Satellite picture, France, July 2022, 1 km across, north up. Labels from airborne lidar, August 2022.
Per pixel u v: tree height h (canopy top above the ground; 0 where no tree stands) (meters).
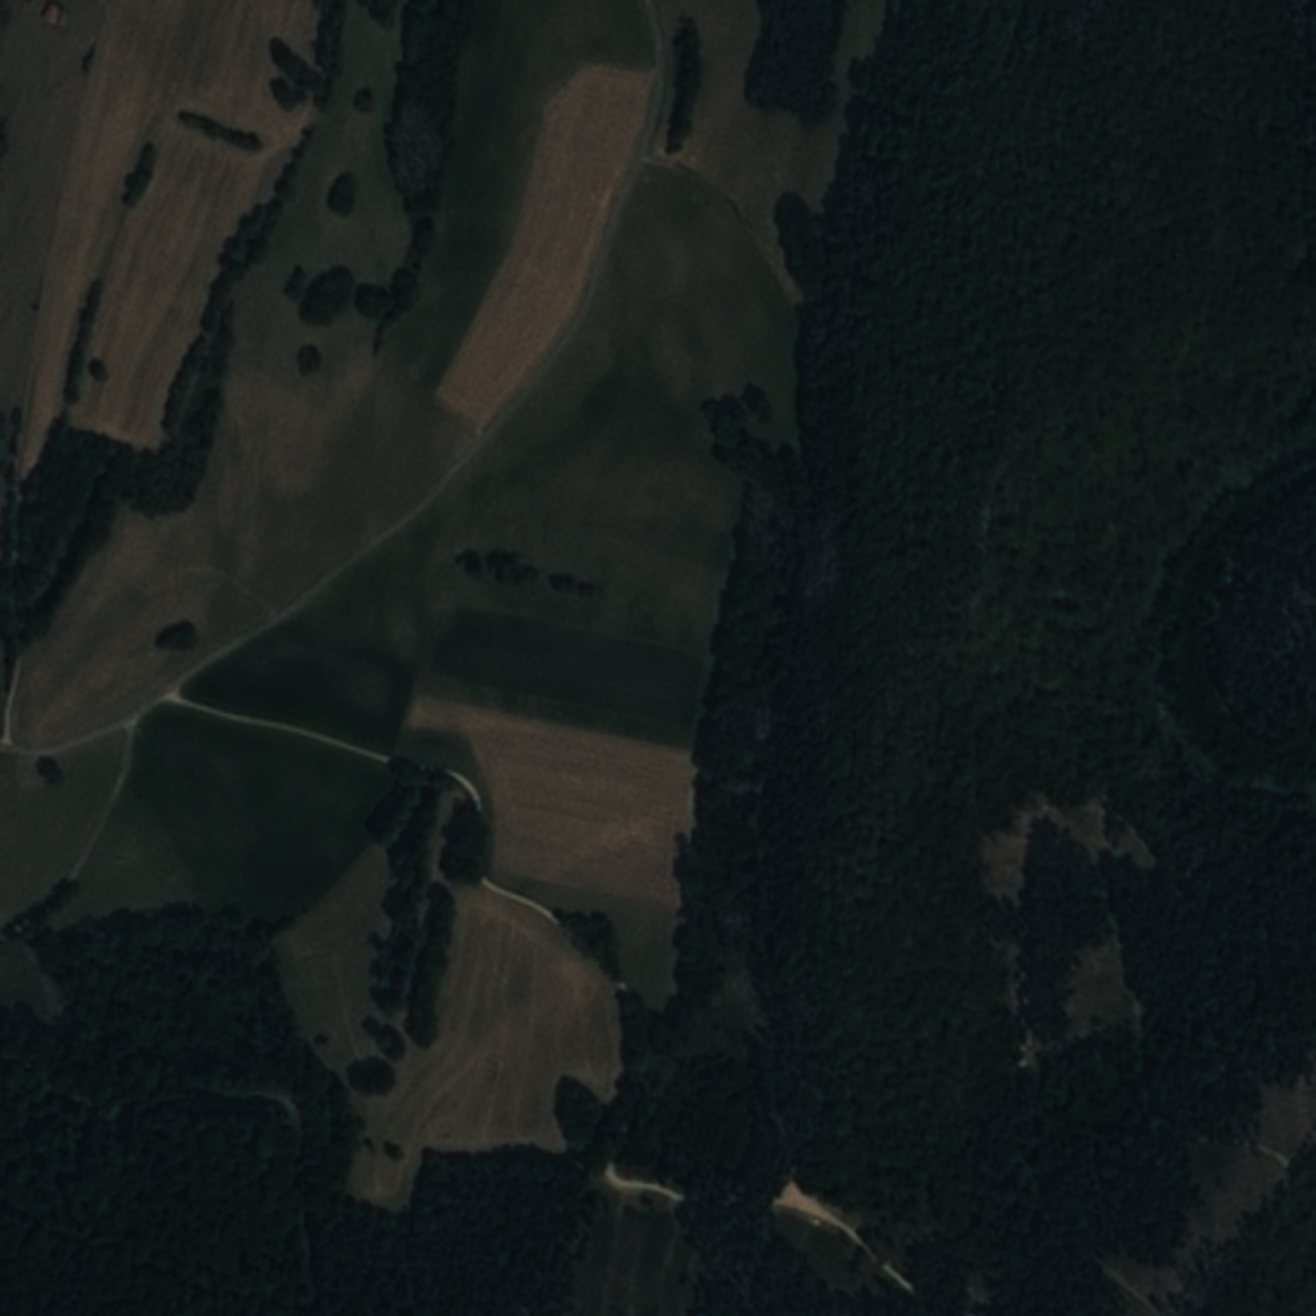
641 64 0
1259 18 19
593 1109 20
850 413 18
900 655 10
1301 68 13
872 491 13
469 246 0
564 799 0
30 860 0
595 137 0
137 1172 26
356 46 0
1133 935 25
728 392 0
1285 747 16
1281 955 18
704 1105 8
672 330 0
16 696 0
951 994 10
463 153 0
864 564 15
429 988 19
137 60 0
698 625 0
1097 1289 21
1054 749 21
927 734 15
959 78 11
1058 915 24
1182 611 10
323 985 0
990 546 8
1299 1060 22
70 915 0
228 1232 24
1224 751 17
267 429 0
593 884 0
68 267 0
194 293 0
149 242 0
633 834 0
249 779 0
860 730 11
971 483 13
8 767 0
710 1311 28
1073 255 13
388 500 0
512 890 0
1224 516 7
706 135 0
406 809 18
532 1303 26
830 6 24
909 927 15
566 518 0
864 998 15
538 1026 0
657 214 0
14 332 0
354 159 0
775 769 28
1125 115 11
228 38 0
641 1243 0
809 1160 16
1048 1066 22
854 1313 19
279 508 0
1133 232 15
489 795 0
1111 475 16
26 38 0
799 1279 23
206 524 0
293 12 0
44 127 0
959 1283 20
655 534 0
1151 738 25
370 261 0
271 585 0
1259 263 15
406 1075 0
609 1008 0
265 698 0
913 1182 17
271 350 0
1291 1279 15
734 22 0
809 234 19
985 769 14
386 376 0
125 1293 26
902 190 15
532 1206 26
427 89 17
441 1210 23
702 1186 24
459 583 0
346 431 0
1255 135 22
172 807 0
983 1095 18
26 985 0
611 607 0
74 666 0
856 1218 0
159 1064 23
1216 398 16
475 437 0
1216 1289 16
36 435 0
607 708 0
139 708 0
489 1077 0
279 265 0
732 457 16
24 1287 24
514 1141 0
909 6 18
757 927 24
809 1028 14
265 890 0
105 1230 22
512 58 0
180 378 9
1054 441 15
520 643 0
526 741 0
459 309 0
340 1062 0
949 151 12
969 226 13
